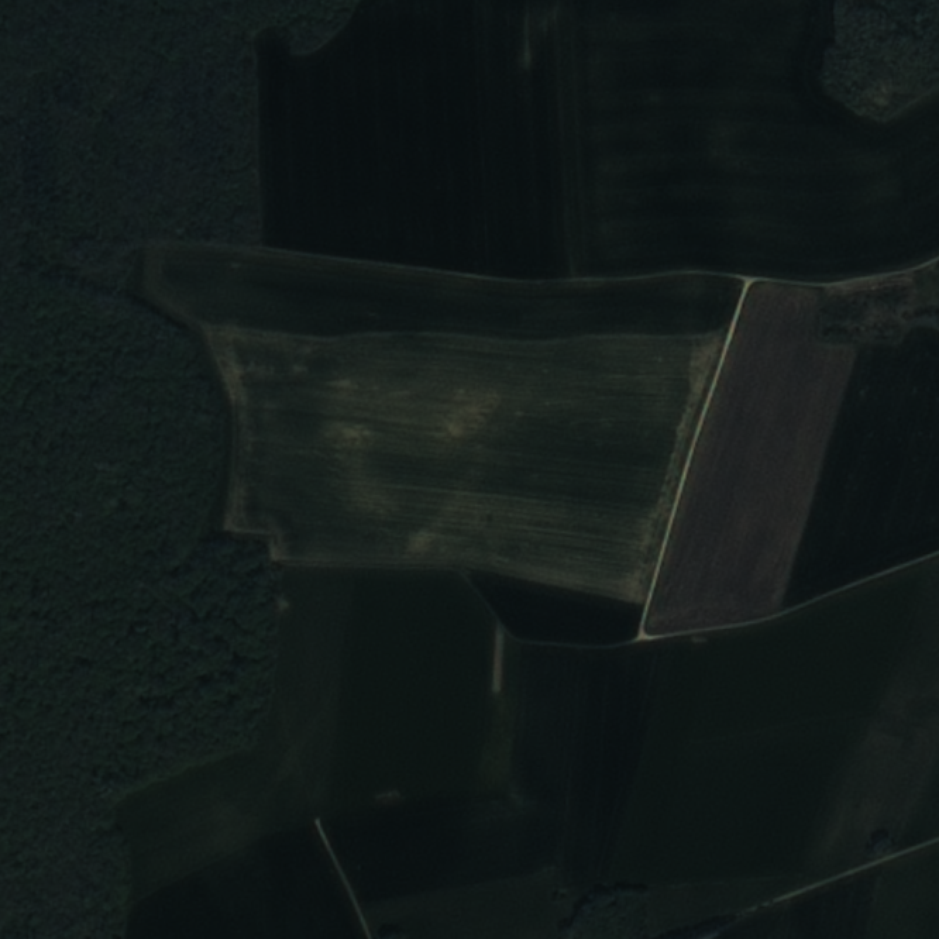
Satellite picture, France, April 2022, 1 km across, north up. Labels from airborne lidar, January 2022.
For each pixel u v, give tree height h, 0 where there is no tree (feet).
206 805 0
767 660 0
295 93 0
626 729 0
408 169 0
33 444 59
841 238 0
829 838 0
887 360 0
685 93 0
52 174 74
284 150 0
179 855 0
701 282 0
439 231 0
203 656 82
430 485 0
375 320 0
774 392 0
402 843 0
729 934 0
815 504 0
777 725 0
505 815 0
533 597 0
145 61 50
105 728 74
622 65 0
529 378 0
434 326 0
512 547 0
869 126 0
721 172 0
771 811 0
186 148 52
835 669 0
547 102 0
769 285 0
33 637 66
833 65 47
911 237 0
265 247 0
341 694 0
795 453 0
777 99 0
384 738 0
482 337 0
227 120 53
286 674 0
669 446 0
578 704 0
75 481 69
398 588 0
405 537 0
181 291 0
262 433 0
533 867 0
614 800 0
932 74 38
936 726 0
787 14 0
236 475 0
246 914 0
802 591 0
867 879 0
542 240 0
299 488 0
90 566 68
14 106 66
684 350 0
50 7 61
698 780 0
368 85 0
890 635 0
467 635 0
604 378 0
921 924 0
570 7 0
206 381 49
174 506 76
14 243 64
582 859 0
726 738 0
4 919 49
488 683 0
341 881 0
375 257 0
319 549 0
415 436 0
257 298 0
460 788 0
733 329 0
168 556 77
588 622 0
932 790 0
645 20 0
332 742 0
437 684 0
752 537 0
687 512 0
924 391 0
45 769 59
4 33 71
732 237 0
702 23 0
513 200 0
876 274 0
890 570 0
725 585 0
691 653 0
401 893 0
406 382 0
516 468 0
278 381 0
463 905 0
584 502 0
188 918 0
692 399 0
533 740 0
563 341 0
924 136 0
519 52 0
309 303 0
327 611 0
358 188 0
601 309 0
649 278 0
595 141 0
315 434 0
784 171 0
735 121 0
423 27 0
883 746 0
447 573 0
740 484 0
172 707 79
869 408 0
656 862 0
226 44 51
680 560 0
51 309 63
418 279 0
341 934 0
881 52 60
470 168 0
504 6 0
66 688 67
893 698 0
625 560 0
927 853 0
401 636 0
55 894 61
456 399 0
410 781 0
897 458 0
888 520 0
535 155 0
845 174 0
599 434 0
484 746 0
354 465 0
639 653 0
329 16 42
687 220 0
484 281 0
